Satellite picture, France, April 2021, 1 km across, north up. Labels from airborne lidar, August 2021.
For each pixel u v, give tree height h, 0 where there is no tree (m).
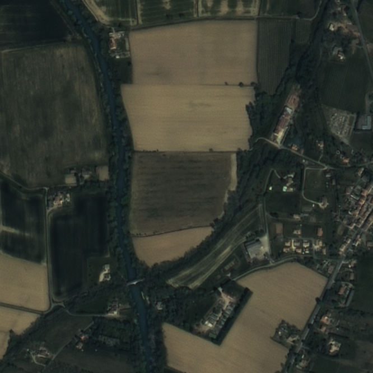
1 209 0
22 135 0
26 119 0
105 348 14
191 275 0
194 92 0
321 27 16
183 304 20
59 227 0
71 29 0
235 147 0
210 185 0
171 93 0
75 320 0
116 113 8
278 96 9
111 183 16
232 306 10
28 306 0
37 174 0
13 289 0
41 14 0
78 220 0
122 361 0
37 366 0
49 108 0
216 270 0
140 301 0
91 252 0
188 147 0
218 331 0
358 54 0
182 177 0
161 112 0
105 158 0
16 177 0
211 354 0
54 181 0
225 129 0
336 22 22
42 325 6
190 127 0
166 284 13
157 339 32
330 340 8
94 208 0
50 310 0
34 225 0
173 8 0
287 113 0
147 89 0
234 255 0
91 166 0
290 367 10
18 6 0
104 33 18
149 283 18
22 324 0
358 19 0
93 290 16
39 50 0
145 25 0
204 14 0
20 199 0
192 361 0
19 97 0
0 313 0
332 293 9
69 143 0
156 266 12
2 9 0
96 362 0
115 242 12
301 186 7
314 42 13
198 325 0
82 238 0
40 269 0
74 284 0
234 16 0
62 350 0
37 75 0
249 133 0
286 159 16
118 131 0
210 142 0
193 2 0
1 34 0
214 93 0
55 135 0
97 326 12
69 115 0
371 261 0
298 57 14
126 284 19
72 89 0
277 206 0
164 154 0
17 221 0
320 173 0
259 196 9
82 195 0
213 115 0
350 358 0
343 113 0
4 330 0
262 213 0
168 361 24
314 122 0
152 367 12
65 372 20
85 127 0
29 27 0
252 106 0
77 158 0
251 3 0
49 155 0
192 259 8
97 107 0
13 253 0
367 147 0
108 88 0
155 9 0
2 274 0
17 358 7
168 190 0
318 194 0
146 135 0
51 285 0
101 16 0
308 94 13
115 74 9
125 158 8
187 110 0
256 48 0
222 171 0
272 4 0
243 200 17
